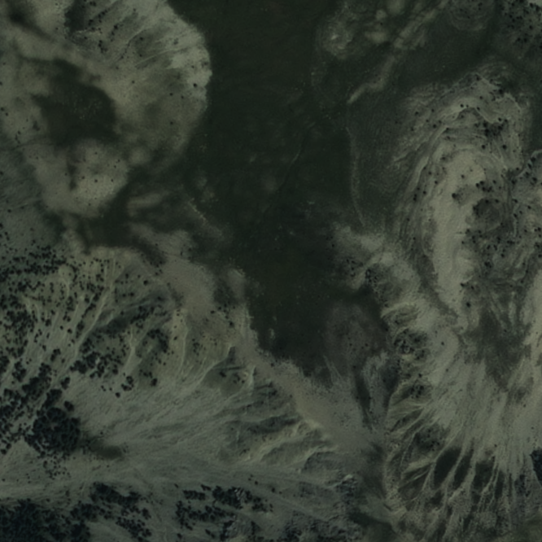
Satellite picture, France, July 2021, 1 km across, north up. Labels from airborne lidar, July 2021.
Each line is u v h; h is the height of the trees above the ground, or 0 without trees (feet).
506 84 0
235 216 0
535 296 0
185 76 0
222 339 0
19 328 25
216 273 0
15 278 0
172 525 0
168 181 0
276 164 0
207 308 0
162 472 0
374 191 0
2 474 0
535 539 0
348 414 0
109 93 0
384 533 0
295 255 0
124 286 0
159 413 0
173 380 0
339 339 0
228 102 0
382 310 0
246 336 0
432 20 0
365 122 0
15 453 0
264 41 0
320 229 0
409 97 0
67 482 0
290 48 0
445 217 0
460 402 0
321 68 0
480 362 0
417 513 0
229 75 0
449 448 0
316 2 0
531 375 0
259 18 0
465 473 0
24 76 0
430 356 0
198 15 0
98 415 0
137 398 0
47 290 0
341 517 0
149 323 0
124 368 0
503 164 0
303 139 0
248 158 0
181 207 0
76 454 0
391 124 0
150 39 0
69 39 0
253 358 0
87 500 0
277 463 0
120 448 0
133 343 0
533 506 0
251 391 0
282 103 0
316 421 0
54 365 0
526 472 0
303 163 0
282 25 0
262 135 0
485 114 0
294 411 0
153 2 0
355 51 0
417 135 0
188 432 0
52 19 0
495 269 0
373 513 0
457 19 0
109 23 0
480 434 0
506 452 0
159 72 0
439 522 0
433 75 0
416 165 0
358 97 0
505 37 0
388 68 0
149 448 0
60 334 0
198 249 0
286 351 0
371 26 0
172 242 0
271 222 0
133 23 0
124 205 0
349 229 0
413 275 0
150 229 0
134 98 0
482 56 0
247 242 0
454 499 0
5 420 26
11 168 0
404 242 0
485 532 0
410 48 0
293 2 0
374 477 0
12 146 0
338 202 0
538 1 0
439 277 0
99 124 0
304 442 0
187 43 0
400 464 0
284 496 0
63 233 0
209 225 0
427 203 0
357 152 0
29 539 79
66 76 0
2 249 0
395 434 0
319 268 0
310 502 0
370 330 0
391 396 0
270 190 0
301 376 0
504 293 0
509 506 0
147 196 0
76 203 0
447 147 0
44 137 0
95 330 0
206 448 0
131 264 0
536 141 0
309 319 0
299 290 0
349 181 0
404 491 0
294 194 0
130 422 0
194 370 0
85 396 0
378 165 0
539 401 0
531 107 0
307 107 0
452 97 0
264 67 0
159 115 0
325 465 0
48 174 0
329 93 0
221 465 0
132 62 0
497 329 0
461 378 0
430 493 0
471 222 0
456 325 0
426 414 0
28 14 0
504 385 0
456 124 0
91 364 23
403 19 0
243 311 0
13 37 0
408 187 0
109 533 0
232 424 0
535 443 0
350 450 0
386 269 0
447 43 0
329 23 0
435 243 0
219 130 0
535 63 0
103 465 0
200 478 0
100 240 0
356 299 0
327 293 0
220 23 0
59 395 54
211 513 47
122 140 0
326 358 0
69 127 0
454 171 0
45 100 0
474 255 0
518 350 0
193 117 0
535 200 0
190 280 0
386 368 0
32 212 0
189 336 0
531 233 0
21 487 0
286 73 0
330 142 0
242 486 0
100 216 0
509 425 0
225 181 0
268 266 0
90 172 0
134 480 0
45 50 0
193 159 0
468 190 0
